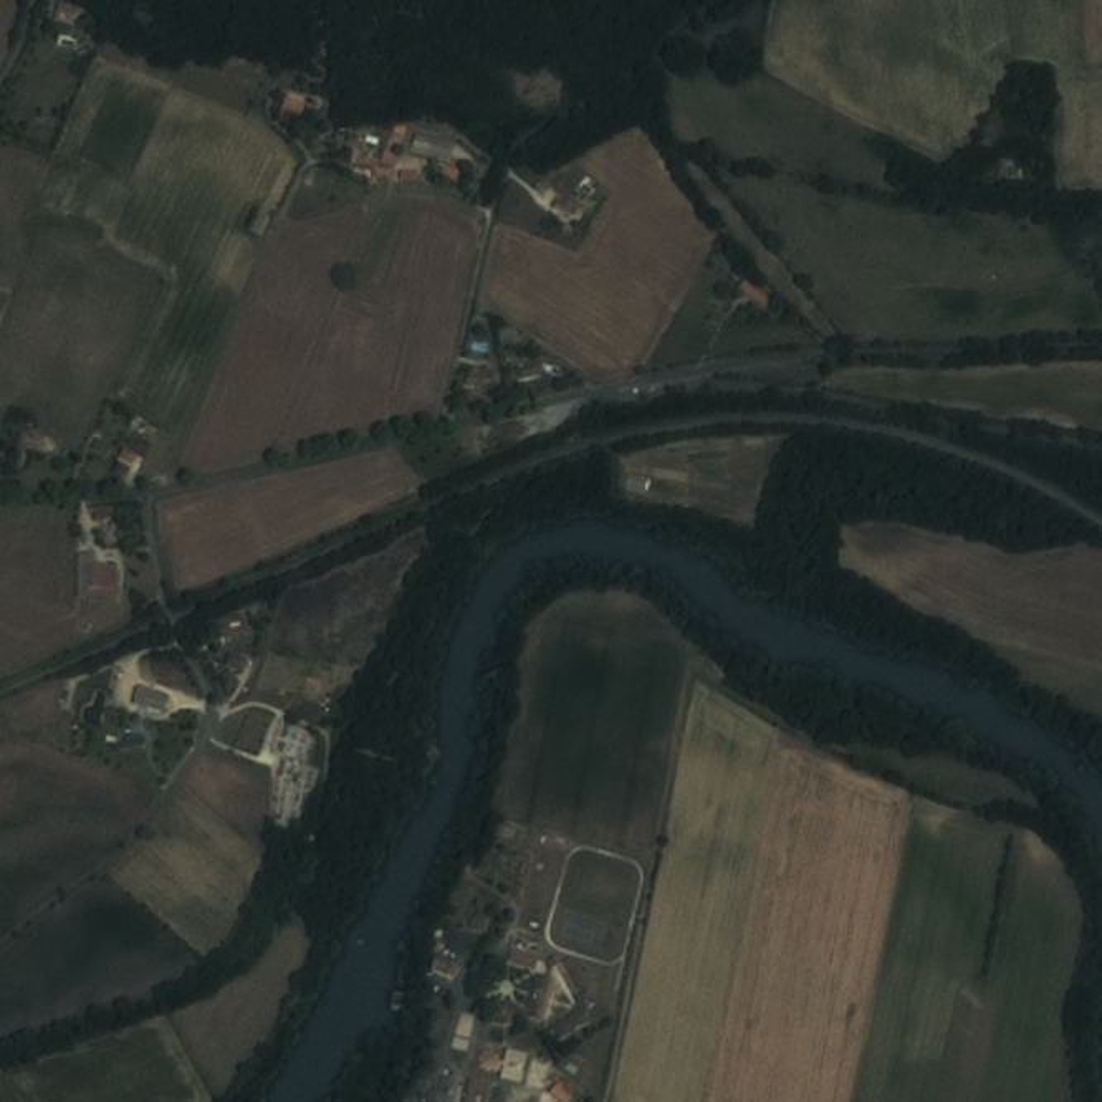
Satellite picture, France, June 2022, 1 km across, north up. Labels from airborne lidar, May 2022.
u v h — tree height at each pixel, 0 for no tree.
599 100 15
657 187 0
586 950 0
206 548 0
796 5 0
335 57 13
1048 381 0
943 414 12
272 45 17
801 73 0
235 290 0
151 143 0
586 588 10
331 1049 0
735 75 13
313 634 0
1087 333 13
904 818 0
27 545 0
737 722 0
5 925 0
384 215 0
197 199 0
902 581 0
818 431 12
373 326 0
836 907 0
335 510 0
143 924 0
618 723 0
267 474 0
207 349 0
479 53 7
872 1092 0
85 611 0
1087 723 16
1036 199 9
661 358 0
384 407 0
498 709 10
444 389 0
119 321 0
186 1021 0
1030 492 11
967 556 0
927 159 10
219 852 0
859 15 0
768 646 0
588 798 0
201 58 16
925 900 0
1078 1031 11
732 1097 0
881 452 9
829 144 0
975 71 0
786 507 12
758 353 10
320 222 0
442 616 16
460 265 0
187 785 0
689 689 0
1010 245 0
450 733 0
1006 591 0
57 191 0
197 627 11
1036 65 12
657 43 17
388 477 0
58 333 0
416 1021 16
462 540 18
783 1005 0
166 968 0
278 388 0
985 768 9
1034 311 0
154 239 0
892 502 19
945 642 17
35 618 0
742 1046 0
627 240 0
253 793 0
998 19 0
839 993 0
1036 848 0
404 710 17
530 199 0
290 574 8
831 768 0
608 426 10
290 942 0
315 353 0
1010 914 0
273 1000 0
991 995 0
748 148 0
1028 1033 0
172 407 0
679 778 0
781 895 0
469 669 0
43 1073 0
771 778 0
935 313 0
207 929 0
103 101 0
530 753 0
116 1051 0
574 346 0
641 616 0
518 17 15
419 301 0
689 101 0
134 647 9
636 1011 0
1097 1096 16
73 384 0
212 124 0
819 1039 0
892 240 0
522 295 0
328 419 0
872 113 0
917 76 0
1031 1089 0
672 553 0
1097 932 15
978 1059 0
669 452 0
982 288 0
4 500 18
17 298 0
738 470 0
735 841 0
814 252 0
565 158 15
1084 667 0
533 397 12
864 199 11
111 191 0
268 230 0
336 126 10
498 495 7
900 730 18
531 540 0
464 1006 0
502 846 8
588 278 0
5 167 0
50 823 0
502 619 11
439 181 10
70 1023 12
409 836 0
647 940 0
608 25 7
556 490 13
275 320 0
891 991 0
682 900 0
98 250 0
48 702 0
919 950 0
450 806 0
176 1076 0
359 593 0
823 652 0
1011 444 13
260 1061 10
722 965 0
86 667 12
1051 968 0
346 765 20
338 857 15
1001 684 27
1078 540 14
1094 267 12
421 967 11
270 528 0
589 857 0
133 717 7
